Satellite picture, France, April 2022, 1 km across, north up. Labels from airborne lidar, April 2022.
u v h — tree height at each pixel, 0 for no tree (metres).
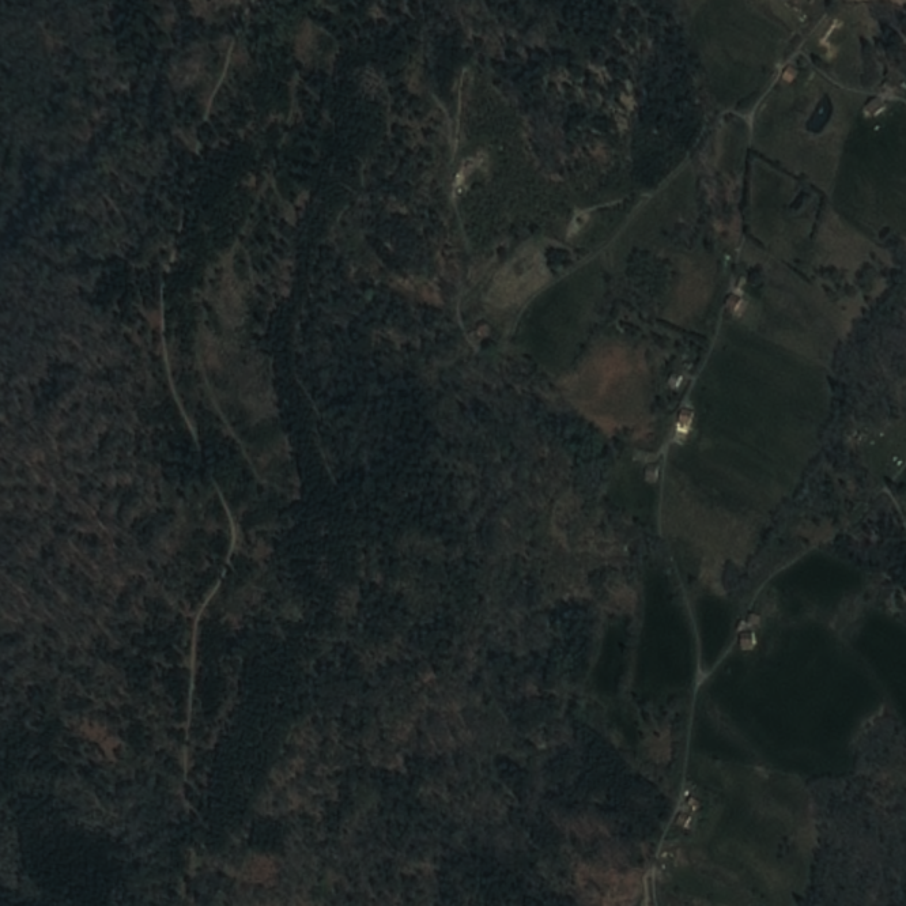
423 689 8
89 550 17
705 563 0
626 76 13
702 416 0
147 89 17
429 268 30
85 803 12
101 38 11
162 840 9
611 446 10
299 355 5
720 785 0
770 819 0
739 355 0
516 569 8
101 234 26
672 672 0
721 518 0
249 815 21
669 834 0
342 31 22
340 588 20
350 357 21
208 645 9
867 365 21
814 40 0
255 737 20
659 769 10
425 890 7
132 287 12
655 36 16
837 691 0
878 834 21
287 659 18
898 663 0
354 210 13
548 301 0
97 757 16
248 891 19
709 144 16
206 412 10
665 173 12
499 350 16
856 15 0
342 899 15
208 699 11
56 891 14
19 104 9
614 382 0
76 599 30
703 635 0
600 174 8
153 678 11
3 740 16
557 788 21
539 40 28
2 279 26
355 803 12
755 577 9
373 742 13
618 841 29
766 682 0
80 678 11
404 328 15
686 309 0
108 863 17
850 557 10
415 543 6
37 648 9
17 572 19
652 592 0
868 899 22
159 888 9
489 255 8
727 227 15
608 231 0
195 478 27
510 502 25
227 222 9
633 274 8
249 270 23
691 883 0
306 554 18
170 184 18
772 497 0
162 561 28
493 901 21
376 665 17
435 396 22
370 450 26
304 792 22
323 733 13
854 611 0
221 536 9
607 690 0
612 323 10
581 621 32
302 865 19
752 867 0
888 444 0
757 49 0
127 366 8
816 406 0
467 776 26
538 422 27
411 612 16
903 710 0
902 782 0
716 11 0
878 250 0
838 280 16
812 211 0
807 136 0
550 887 19
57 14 16
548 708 22
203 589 12
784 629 0
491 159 0
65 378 19
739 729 0
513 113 9
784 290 0
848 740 0
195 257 7
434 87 22
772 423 0
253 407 0
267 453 0
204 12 0
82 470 26
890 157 0
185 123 17
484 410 28
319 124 10
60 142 10
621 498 0
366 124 20
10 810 18
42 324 33
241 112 8
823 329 0
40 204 17
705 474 0
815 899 21
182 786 0
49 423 23
